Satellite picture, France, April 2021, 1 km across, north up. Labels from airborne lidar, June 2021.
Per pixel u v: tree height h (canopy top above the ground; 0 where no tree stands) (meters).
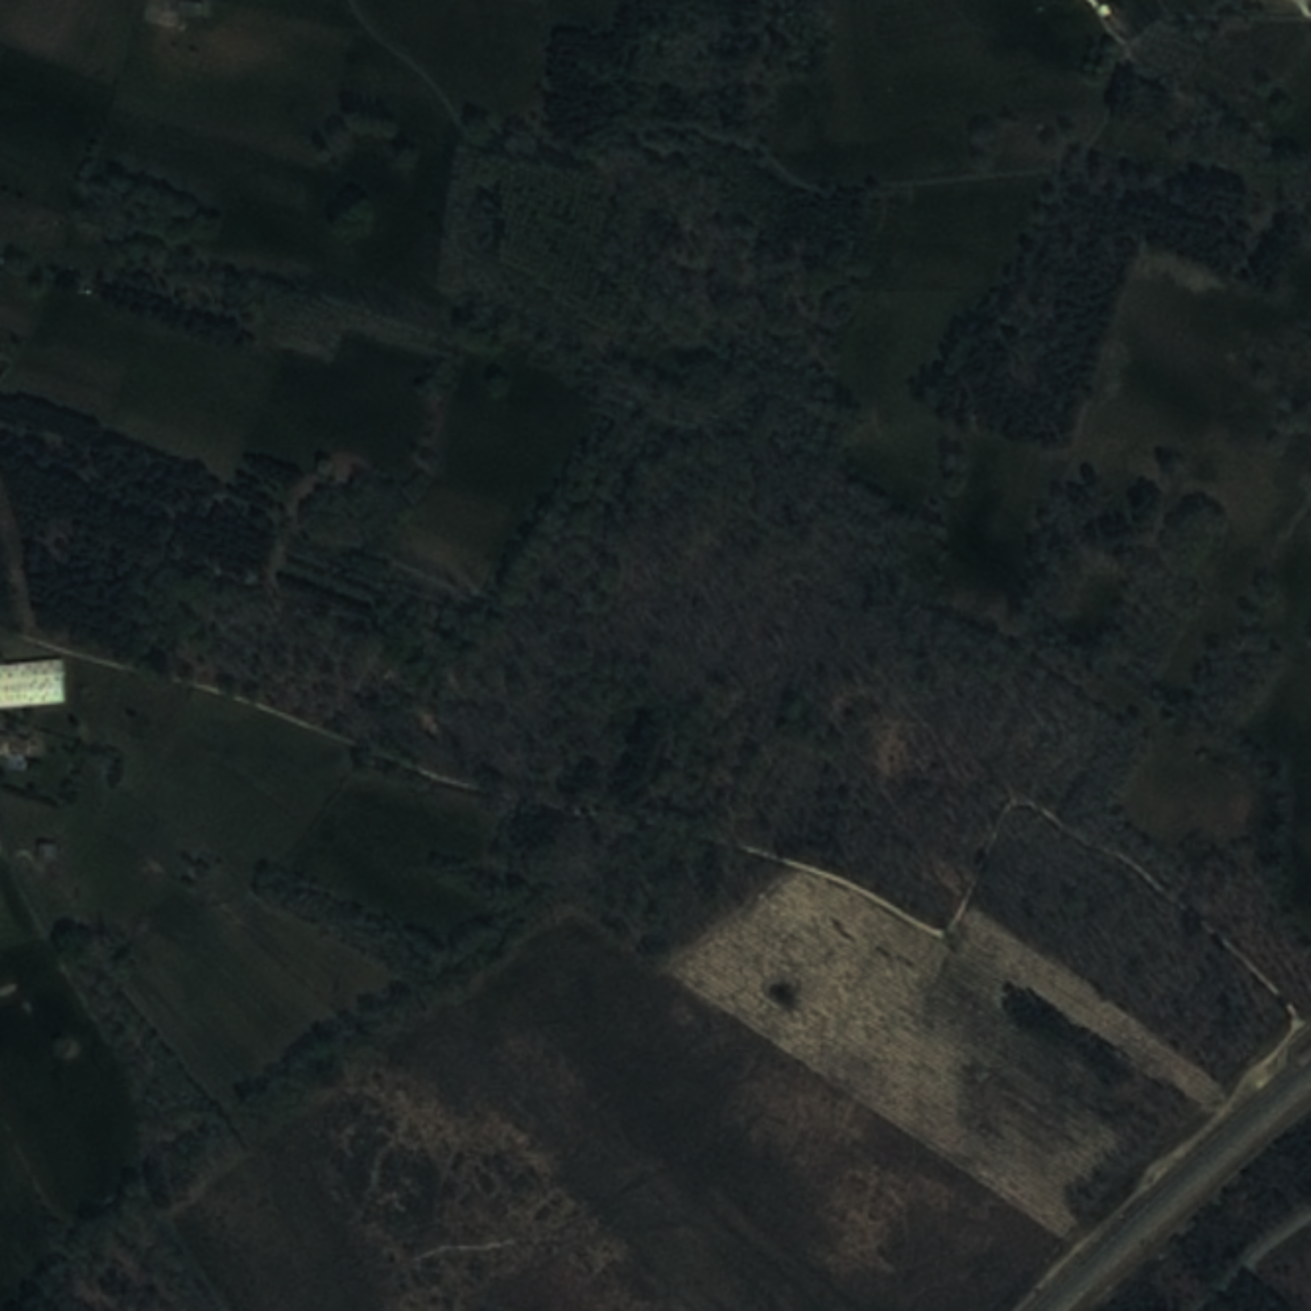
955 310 0
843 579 10
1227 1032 13
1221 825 0
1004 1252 0
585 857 17
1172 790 0
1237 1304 11
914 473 0
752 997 0
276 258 0
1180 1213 0
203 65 0
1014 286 14
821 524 14
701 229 16
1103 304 12
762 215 10
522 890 20
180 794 0
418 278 0
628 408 17
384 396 0
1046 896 18
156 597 18
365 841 0
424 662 22
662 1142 0
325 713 8
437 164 0
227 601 17
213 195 0
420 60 0
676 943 20
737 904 12
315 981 0
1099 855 15
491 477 0
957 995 0
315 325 28
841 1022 0
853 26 0
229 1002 0
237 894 0
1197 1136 0
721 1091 0
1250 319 0
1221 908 11
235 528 13
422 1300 0
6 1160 0
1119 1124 12
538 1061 0
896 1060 0
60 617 20
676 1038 0
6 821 0
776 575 9
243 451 0
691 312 25
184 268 14
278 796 0
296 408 0
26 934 0
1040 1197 0
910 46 0
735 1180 0
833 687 15
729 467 17
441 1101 0
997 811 12
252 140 0
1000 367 16
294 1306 0
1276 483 0
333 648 17
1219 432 0
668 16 7
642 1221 0
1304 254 7
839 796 9
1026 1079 0
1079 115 0
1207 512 21
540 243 30
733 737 12
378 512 14
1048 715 14
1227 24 15
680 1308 0
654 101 11
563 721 7
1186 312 0
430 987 18
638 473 16
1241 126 25
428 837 0
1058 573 17
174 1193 18
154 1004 0
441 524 0
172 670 27
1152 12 0
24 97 0
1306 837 0
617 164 20
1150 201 10
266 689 10
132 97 0
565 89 11
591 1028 0
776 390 19
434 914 0
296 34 0
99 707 0
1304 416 17
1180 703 13
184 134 0
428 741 15
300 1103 19
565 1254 0
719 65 9
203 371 0
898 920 0
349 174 0
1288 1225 9
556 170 26
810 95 0
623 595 8
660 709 15
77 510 22
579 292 29
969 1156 0
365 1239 0
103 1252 18
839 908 0
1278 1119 0
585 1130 0
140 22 0
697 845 19
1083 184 14
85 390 0
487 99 0
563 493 11
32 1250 0
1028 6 0
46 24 0
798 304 14
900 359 0
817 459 11
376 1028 20
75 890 0
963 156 0
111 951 24
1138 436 0
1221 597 0
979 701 14
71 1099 0
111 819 0
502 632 19
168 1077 9
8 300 0
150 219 16
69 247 0
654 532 14
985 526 0
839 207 10
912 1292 0
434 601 18
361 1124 0
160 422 0
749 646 12
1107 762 18
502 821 9
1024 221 0
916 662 18
